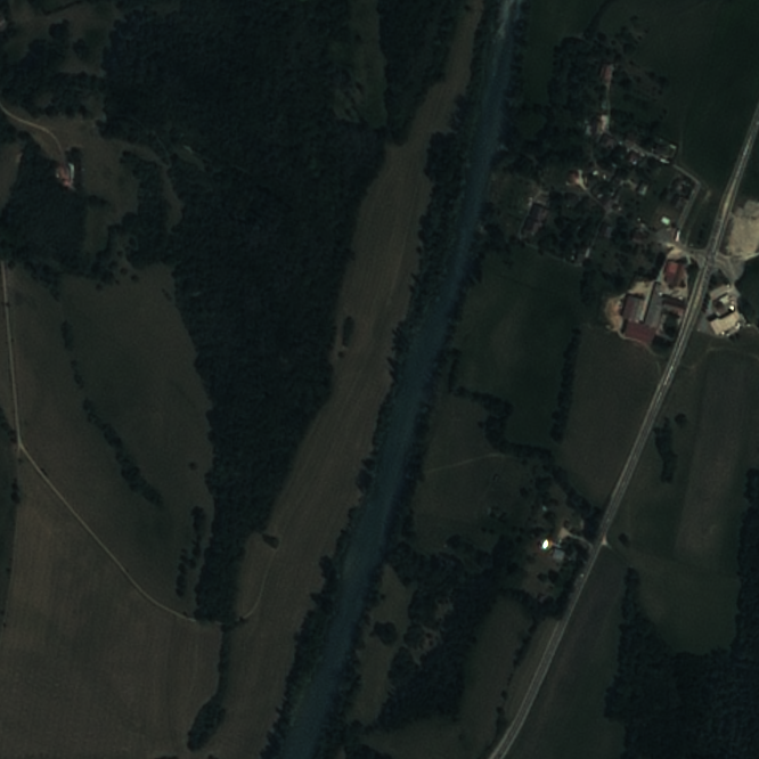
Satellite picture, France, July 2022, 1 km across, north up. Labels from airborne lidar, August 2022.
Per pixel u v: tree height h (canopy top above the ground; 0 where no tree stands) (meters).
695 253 0
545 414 0
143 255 13
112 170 0
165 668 0
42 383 0
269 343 21
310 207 6
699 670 7
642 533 0
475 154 0
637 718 18
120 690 0
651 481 0
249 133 18
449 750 0
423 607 18
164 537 0
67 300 0
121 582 0
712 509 0
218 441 19
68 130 0
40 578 0
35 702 0
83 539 0
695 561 0
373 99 0
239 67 18
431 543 0
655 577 0
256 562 0
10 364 0
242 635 0
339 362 0
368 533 0
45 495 0
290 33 9
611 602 0
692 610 0
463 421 0
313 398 20
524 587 0
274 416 10
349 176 11
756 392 0
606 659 0
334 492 0
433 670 17
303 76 12
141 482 9
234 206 19
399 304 0
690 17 0
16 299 0
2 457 0
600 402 0
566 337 0
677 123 0
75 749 0
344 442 0
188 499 0
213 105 8
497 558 17
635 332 0
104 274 10
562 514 0
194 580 0
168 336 0
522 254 0
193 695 0
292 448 17
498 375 0
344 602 0
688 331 0
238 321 13
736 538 0
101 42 0
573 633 0
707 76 0
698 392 0
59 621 0
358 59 0
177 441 0
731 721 24
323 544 0
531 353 0
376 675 0
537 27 0
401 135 15
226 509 16
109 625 0
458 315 16
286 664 0
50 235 6
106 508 0
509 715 0
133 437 0
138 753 0
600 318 0
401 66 20
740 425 0
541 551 0
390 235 0
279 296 18
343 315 0
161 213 11
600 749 0
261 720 0
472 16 0
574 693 0
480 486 0
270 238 20
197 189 6
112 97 9
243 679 0
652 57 0
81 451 0
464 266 0
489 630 0
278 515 0
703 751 8
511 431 0
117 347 0
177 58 11
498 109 0
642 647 21
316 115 11
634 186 0
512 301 0
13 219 16
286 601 0
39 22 0
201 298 6
